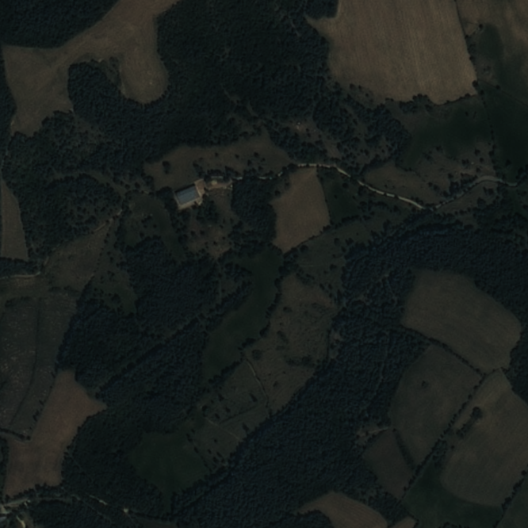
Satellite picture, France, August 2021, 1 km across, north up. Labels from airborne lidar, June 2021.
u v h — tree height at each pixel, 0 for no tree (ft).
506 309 24
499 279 46
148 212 0
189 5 33
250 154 0
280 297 20
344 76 0
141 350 47
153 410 61
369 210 37
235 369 33
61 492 28
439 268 46
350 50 0
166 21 31
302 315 0
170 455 0
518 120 0
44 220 37
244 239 37
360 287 61
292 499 46
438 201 0
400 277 51
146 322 53
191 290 63
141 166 32
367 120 42
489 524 0
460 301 0
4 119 37
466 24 0
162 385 66
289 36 47
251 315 0
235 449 0
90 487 45
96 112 57
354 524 0
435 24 0
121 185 32
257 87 44
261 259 0
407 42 0
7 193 0
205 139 35
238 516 44
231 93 44
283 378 0
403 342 41
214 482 47
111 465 44
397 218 0
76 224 32
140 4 0
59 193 33
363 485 41
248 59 46
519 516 0
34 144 38
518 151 0
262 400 0
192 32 32
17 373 0
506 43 0
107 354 55
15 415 0
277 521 29
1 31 34
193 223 0
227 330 0
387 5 0
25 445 0
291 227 0
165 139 42
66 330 0
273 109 32
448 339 0
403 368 27
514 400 0
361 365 49
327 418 36
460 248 59
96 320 65
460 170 0
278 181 25
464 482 0
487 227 60
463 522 0
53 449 0
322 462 46
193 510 42
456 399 0
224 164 0
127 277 0
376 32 0
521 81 0
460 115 0
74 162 30
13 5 48
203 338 23
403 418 0
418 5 0
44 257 39
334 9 61
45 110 0
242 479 55
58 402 0
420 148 0
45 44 23
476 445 0
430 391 0
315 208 0
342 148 45
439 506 0
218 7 28
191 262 36
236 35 28
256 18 34
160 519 42
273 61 31
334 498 0
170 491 0
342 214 0
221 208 0
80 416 0
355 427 35
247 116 27
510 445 0
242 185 56
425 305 0
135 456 0
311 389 43
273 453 50
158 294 59
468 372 0
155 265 56
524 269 55
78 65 29
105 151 52
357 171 47
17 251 0
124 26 0
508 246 40
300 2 35
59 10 31
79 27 32
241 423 0
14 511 29
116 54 0
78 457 46
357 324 62
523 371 35
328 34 0
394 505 34
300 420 37
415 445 0
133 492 48
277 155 0
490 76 0
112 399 47
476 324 0
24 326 0
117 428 42
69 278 0
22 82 0
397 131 30
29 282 0
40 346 0
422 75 0
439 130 0
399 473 0
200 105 46
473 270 52
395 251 59
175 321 46
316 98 48
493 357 0
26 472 0
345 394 54
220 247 0
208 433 0
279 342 0
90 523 39
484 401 0
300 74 39
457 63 0
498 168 37
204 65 29
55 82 0
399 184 0
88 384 43
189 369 57
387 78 0
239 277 50
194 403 47
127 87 0
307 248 34
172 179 0
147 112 53
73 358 50
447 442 25
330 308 0
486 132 0
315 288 0
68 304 0
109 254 26
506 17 0
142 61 0
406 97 0
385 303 40
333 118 48
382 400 41
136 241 0
